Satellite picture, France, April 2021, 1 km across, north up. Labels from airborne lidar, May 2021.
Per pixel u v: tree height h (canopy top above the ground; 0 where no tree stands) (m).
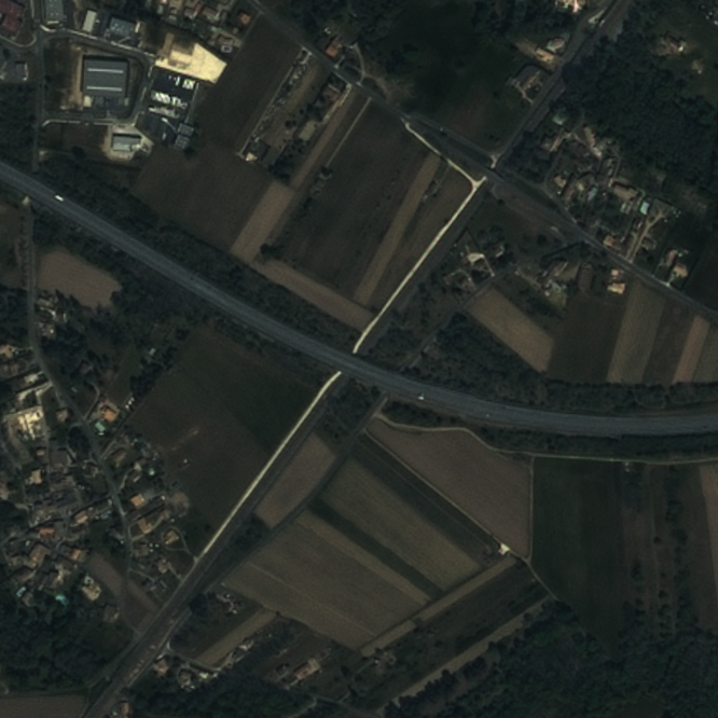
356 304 0
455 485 0
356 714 0
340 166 0
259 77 0
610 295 0
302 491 0
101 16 0
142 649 0
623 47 19
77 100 0
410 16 0
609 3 0
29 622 18
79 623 20
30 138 7
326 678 0
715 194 5
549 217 0
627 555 0
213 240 0
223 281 7
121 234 0
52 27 0
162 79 0
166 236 9
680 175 26
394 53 0
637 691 18
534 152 12
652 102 27
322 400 0
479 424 0
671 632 7
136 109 0
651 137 23
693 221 0
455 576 0
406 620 0
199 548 0
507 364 9
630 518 0
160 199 0
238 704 26
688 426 0
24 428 0
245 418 0
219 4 0
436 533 0
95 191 11
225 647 0
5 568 8
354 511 0
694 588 0
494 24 18
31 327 0
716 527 0
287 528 0
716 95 0
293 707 17
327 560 0
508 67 0
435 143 15
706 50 0
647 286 0
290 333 0
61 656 24
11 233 0
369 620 0
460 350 12
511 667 10
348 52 12
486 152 0
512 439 7
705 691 14
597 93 25
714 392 12
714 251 0
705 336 0
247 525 14
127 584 0
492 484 0
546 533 0
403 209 0
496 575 0
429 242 0
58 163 8
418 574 0
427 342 0
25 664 21
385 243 0
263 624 0
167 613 0
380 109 0
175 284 9
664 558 0
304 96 0
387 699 0
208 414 0
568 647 12
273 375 0
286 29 0
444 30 0
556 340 0
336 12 18
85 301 0
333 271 0
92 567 0
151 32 0
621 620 0
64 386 0
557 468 0
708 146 28
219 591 0
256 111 0
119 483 8
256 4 0
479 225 0
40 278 0
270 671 0
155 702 10
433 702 16
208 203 0
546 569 0
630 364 0
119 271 20
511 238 0
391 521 0
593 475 0
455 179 0
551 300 0
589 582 0
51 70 0
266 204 0
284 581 0
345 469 0
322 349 0
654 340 0
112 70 0
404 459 0
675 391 10
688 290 0
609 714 18
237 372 0
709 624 0
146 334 15
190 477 0
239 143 0
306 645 0
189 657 0
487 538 0
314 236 0
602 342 0
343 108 0
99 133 0
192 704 21
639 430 0
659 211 6
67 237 9
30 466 0
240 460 0
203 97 0
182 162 0
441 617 0
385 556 0
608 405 10
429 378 6
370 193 0
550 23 7
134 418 0
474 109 0
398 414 10
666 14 18
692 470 0
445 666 0
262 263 0
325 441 0
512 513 0
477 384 8
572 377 0
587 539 0
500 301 0
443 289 8
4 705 0
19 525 8
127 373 0
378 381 0
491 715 11
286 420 0
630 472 0
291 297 12
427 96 0
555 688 20
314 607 0
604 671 20
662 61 15
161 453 0
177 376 0
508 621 0
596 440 10
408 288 0
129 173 0
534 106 0
